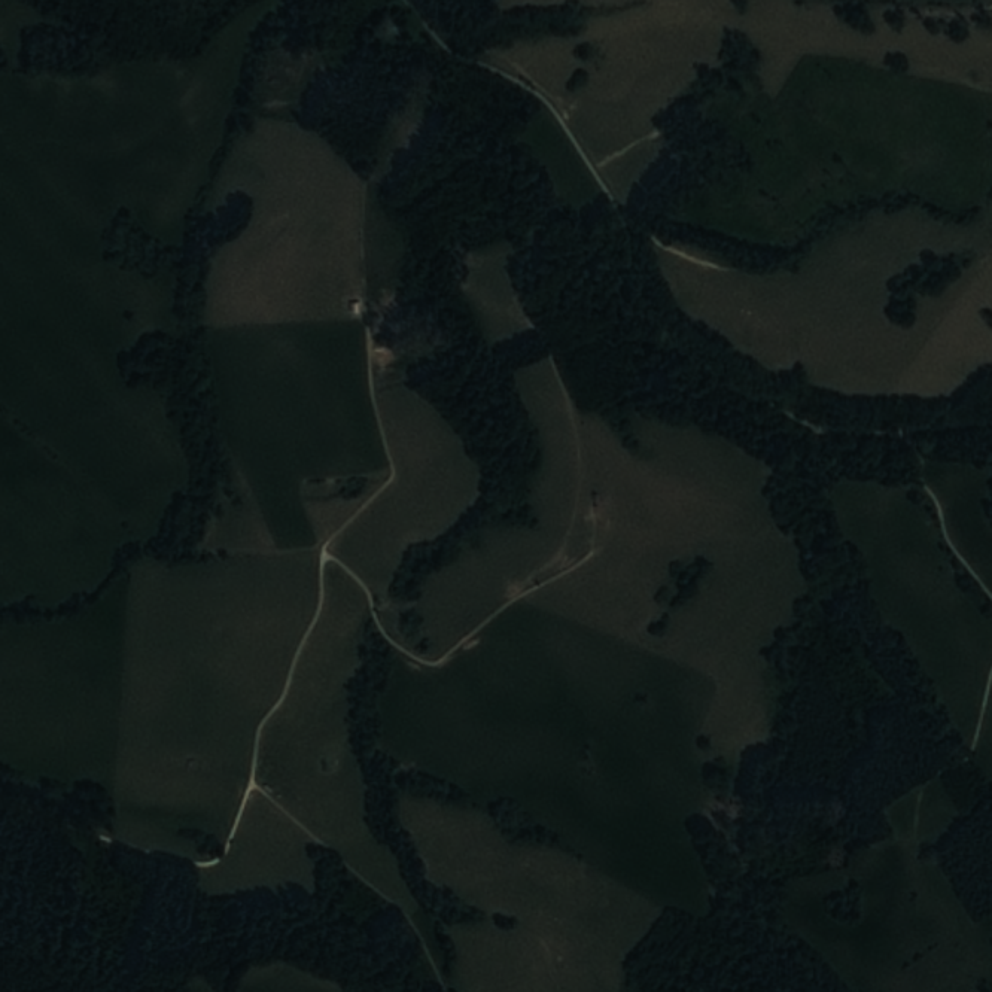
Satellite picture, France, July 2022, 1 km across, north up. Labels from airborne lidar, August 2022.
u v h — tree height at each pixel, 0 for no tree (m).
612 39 0
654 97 0
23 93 0
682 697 0
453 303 14
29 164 0
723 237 20
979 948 0
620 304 31
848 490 0
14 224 0
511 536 0
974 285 0
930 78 0
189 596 0
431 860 0
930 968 0
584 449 0
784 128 0
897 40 0
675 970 15
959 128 0
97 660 0
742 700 0
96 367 0
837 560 22
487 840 0
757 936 17
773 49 0
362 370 0
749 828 35
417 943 30
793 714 28
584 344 11
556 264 34
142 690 0
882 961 0
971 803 7
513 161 26
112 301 0
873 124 0
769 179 0
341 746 0
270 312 0
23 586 0
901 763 19
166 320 0
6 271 0
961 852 13
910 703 18
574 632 0
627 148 0
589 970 0
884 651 21
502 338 0
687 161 23
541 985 0
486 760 0
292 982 0
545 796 0
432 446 0
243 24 0
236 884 0
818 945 0
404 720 0
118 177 0
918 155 0
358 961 30
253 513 0
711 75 24
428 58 14
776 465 23
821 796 34
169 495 0
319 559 0
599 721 0
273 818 0
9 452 0
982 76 0
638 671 0
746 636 0
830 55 0
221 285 0
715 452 0
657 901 0
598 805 0
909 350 0
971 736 0
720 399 21
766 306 0
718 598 0
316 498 0
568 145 0
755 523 0
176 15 8
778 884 12
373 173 0
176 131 0
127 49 10
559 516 0
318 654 0
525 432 15
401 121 0
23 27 0
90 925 31
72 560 0
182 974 21
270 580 0
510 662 0
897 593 0
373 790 9
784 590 0
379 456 0
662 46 0
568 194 0
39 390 0
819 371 0
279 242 0
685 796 0
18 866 34
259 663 0
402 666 0
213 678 0
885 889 0
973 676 0
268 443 0
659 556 0
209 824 0
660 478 0
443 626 0
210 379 5
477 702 0
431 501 0
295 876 0
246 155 0
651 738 0
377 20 17
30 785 0
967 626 0
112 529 0
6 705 0
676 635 0
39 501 0
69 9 10
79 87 0
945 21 10
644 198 23
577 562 0
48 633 0
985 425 16
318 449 0
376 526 0
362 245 0
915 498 19
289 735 0
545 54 0
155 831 0
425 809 0
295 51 24
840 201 0
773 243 0
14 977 9
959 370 0
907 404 18
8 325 0
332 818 0
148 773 0
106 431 0
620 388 12
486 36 26
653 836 0
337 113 16
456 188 8
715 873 25
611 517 0
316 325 0
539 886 0
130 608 0
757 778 22
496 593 0
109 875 8
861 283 0
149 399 0
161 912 23
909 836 0
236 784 0
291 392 0
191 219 13
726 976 7
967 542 0
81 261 0
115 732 0
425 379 29
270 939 28
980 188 0
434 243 14
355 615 0
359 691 16
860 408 26
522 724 0
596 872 0
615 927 0
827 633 8
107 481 0
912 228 0
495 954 0
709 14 0
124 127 0
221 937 17
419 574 17
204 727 0
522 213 16
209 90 0
